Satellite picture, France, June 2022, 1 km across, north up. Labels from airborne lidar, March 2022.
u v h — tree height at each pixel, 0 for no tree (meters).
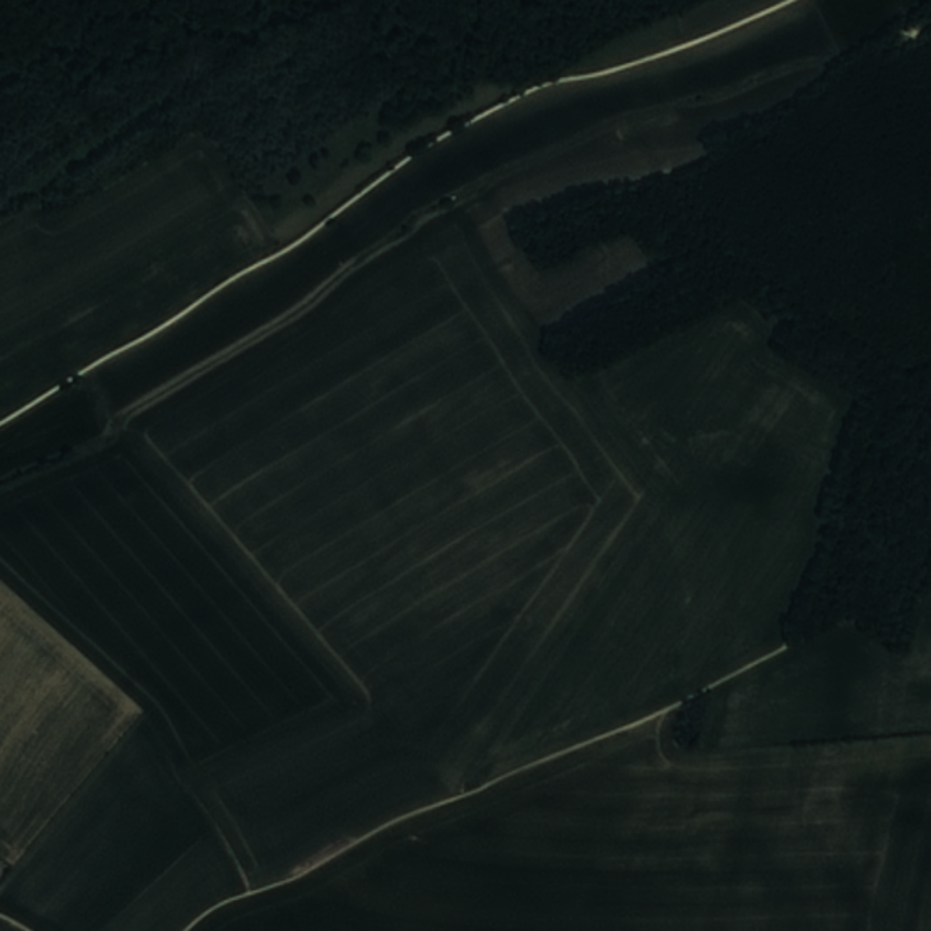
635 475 0
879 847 0
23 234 0
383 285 0
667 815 0
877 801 0
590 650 0
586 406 0
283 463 0
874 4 0
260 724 0
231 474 0
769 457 0
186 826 0
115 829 0
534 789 0
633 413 0
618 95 0
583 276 0
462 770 0
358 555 0
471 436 0
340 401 0
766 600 0
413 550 0
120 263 0
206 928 0
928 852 0
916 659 0
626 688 0
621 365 0
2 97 19
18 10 10
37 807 0
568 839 0
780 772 0
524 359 0
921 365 19
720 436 0
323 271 0
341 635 0
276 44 25
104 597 0
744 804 0
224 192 0
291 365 0
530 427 0
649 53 0
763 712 0
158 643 0
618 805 0
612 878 0
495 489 0
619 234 15
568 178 0
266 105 18
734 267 23
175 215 0
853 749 0
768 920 0
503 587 0
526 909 0
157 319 0
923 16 10
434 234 0
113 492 0
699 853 0
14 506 0
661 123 0
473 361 0
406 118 16
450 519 0
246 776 0
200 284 0
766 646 0
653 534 0
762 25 0
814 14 0
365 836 0
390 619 0
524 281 0
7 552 0
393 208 0
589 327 25
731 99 0
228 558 0
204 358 0
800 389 0
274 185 0
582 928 0
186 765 0
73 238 0
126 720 0
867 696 0
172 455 0
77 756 0
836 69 12
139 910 0
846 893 0
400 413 0
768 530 0
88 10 14
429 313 0
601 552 0
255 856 0
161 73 20
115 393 0
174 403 0
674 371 0
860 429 23
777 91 0
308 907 0
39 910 0
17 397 0
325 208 0
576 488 0
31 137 15
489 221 0
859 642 0
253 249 0
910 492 24
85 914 0
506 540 0
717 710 0
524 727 0
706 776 0
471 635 0
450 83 19
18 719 0
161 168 0
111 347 0
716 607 0
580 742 0
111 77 22
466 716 0
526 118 0
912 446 18
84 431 0
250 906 0
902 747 0
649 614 0
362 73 21
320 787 0
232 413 0
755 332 0
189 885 0
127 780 0
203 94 24
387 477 0
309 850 0
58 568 0
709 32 0
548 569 0
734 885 0
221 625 0
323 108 23
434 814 0
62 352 0
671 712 0
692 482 0
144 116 9
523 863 0
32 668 0
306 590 0
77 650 0
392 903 0
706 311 23
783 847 0
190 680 0
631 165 0
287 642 0
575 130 0
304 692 0
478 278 0
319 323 0
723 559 0
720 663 0
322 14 25
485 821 0
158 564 0
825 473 0
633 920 0
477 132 0
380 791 0
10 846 0
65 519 0
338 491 0
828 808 0
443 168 0
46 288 0
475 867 0
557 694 0
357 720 0
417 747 0
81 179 20
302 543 0
